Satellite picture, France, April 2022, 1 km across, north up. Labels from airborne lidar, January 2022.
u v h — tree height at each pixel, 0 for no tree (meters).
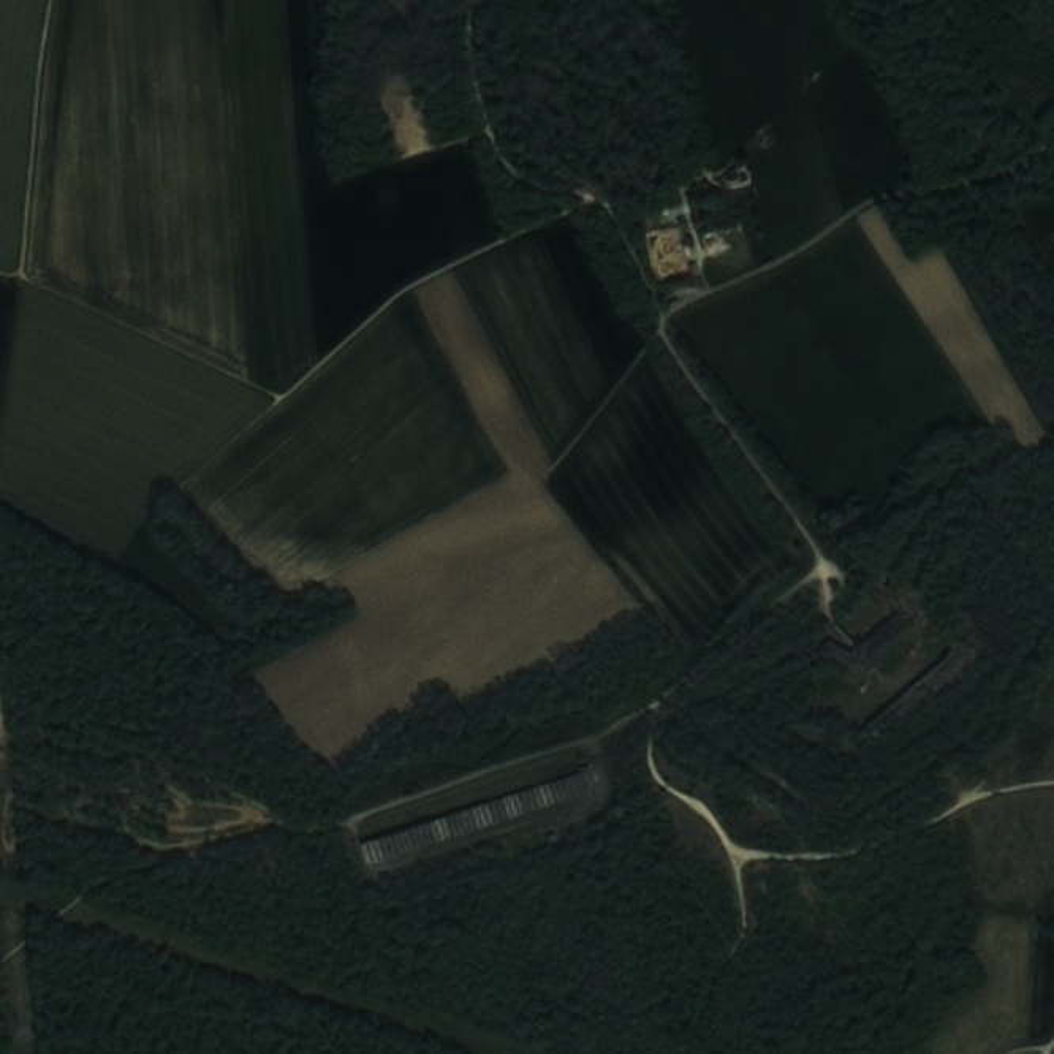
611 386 0
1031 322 26
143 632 24
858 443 0
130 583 19
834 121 0
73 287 0
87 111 0
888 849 12
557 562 0
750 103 0
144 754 20
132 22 0
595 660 18
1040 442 0
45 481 0
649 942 20
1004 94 23
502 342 0
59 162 0
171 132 0
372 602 0
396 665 0
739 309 0
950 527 14
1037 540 10
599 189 24
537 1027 19
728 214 6
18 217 0
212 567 16
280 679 0
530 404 0
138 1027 22
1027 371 16
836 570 0
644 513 0
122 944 16
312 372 0
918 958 17
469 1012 22
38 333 0
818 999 15
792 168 0
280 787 21
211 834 0
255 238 0
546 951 19
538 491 0
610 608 0
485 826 0
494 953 17
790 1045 18
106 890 21
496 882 17
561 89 28
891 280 0
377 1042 22
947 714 16
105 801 19
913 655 0
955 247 17
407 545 0
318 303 0
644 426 0
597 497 0
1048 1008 0
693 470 0
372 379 0
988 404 0
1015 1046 0
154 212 0
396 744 23
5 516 20
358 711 0
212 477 0
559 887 16
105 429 0
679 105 22
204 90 0
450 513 0
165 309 0
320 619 15
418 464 0
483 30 22
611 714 12
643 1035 16
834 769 16
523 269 0
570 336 0
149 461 0
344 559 0
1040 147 15
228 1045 25
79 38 0
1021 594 15
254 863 24
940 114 20
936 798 16
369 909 26
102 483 0
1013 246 25
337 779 19
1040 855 0
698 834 0
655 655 20
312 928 26
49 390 0
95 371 0
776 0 0
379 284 0
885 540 21
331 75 18
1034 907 0
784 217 0
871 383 0
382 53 31
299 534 0
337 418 0
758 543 0
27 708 22
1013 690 23
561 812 0
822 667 11
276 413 0
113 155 0
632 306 15
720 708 18
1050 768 0
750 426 19
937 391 0
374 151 17
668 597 0
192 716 27
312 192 0
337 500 0
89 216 0
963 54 23
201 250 0
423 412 0
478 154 12
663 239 0
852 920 12
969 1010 0
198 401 0
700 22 0
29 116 0
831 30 0
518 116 21
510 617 0
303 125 0
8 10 0
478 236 0
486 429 0
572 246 0
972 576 12
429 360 0
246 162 0
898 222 16
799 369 0
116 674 28
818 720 15
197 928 16
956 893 23
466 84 19
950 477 8
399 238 0
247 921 23
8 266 0
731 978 18
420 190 0
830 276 0
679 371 13
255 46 0
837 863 10
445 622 0
